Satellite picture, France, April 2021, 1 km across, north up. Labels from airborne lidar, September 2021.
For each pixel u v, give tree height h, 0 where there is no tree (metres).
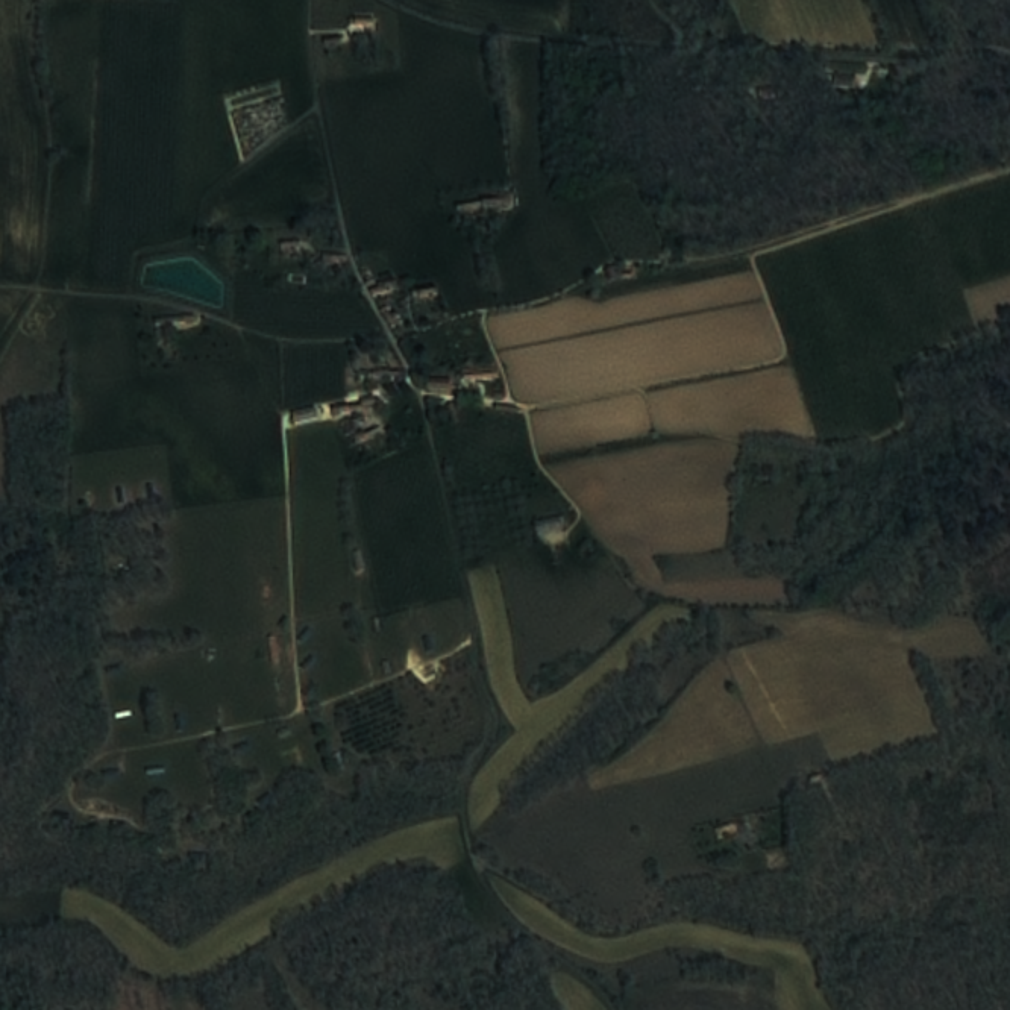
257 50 0
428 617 0
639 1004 0
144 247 0
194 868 12
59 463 18
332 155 0
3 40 0
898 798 16
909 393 21
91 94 0
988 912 17
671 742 0
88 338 0
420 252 0
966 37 15
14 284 0
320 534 0
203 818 14
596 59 13
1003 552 7
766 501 0
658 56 10
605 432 0
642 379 0
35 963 14
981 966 13
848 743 0
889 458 12
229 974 10
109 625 15
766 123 15
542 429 0
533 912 0
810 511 12
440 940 15
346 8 0
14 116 0
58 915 0
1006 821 13
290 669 0
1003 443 22
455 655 0
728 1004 0
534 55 0
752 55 22
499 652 0
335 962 14
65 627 15
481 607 0
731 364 0
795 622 0
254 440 0
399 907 11
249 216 0
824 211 18
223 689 0
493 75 15
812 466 16
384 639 0
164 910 11
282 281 7
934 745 13
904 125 16
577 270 0
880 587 14
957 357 9
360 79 0
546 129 13
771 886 15
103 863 14
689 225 14
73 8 0
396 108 0
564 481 0
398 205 0
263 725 0
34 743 12
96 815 0
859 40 0
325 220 21
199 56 0
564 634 0
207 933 14
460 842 0
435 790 17
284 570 0
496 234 7
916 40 0
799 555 12
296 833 14
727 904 17
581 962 0
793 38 0
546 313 0
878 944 10
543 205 0
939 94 15
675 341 0
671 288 0
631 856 0
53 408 20
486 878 0
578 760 13
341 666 0
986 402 21
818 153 19
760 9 0
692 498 0
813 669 0
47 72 15
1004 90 12
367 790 21
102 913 0
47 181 0
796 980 0
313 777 15
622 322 0
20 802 10
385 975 9
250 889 15
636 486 0
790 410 0
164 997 14
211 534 0
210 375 0
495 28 0
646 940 0
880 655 0
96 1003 14
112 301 0
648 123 15
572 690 0
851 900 18
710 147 12
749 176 15
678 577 0
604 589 0
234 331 0
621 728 14
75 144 0
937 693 16
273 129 0
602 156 15
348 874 0
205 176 0
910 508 16
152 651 18
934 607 15
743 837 11
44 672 12
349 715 6
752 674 0
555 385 0
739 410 0
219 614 0
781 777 0
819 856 12
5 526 9
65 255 0
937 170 20
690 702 0
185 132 0
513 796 14
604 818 0
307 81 0
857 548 10
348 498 10
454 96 0
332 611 0
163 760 0
